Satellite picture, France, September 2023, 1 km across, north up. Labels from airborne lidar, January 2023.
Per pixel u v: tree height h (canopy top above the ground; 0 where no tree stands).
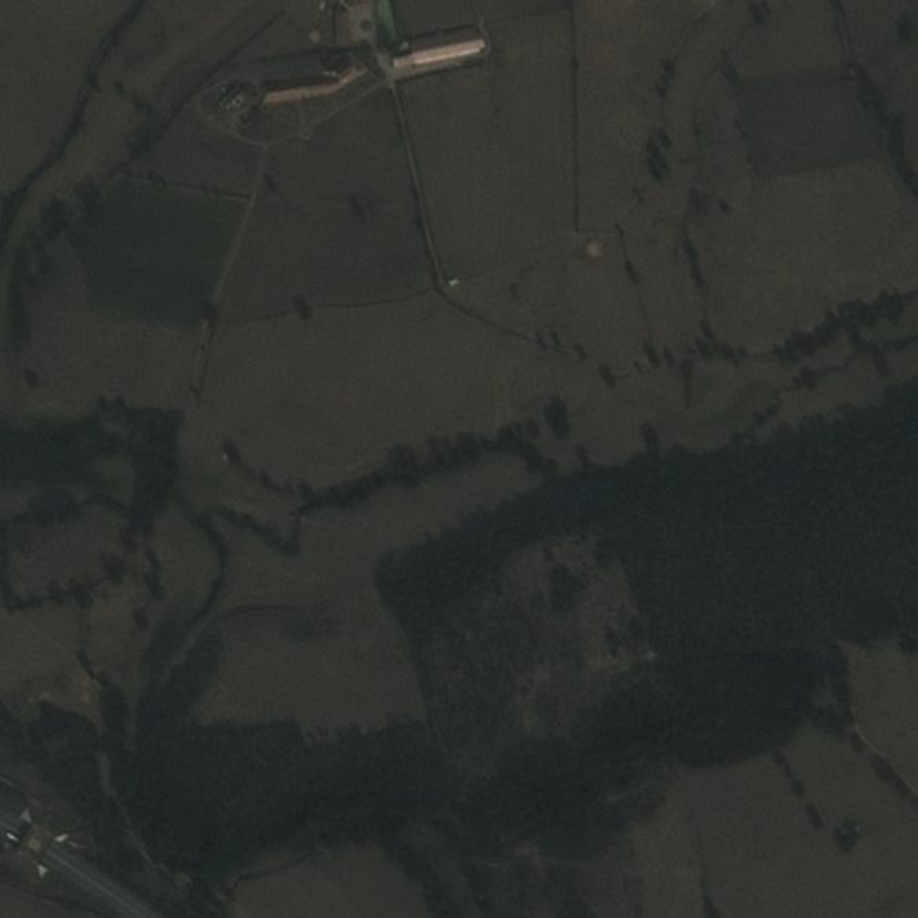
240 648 0
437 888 9
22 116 0
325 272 0
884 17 0
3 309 0
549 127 0
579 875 0
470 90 0
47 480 0
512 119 0
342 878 0
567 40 0
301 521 0
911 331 0
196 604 0
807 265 0
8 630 0
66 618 0
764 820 0
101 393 0
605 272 0
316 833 0
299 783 13
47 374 0
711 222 0
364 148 0
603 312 0
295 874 0
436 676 0
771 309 0
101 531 0
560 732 0
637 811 0
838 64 0
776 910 0
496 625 0
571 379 0
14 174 0
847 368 0
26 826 0
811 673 16
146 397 0
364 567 0
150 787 25
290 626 0
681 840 0
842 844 15
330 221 0
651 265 0
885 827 0
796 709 19
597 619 0
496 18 0
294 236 0
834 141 0
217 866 0
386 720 0
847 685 18
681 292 0
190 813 23
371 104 0
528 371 0
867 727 0
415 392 0
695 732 16
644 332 0
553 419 20
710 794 0
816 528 15
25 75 0
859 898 0
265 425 0
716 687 18
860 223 0
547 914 0
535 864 0
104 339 0
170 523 0
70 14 0
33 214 0
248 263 0
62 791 7
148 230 0
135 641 0
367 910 0
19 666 0
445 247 0
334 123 0
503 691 0
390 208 0
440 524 0
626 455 0
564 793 17
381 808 30
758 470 19
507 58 0
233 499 0
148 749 19
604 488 11
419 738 13
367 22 0
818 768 0
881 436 25
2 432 0
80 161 0
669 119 0
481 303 0
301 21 0
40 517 21
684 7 0
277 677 0
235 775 14
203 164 0
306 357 0
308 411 0
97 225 0
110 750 18
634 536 14
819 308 0
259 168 0
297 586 0
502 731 0
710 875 0
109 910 0
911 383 0
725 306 0
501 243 0
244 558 0
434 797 23
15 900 0
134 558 0
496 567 8
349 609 0
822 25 0
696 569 14
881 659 0
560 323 0
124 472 0
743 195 0
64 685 0
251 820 14
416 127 0
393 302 0
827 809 0
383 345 0
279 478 0
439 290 0
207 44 0
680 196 0
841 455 24
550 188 0
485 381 0
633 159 0
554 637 0
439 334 0
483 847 19
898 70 0
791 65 0
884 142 13
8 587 19
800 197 0
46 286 0
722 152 0
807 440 17
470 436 0
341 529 0
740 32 0
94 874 0
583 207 0
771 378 0
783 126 0
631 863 0
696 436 0
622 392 0
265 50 0
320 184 0
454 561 19
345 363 0
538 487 0
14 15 0
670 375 0
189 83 0
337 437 0
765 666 17
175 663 0
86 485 0
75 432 0
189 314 0
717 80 0
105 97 0
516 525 13
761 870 0
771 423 0
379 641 0
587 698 0
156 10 0
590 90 0
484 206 0
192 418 0
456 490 0
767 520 16
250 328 0
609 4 0
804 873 0
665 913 0
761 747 13
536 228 0
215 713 0
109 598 0
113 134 0
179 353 0
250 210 0
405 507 0
